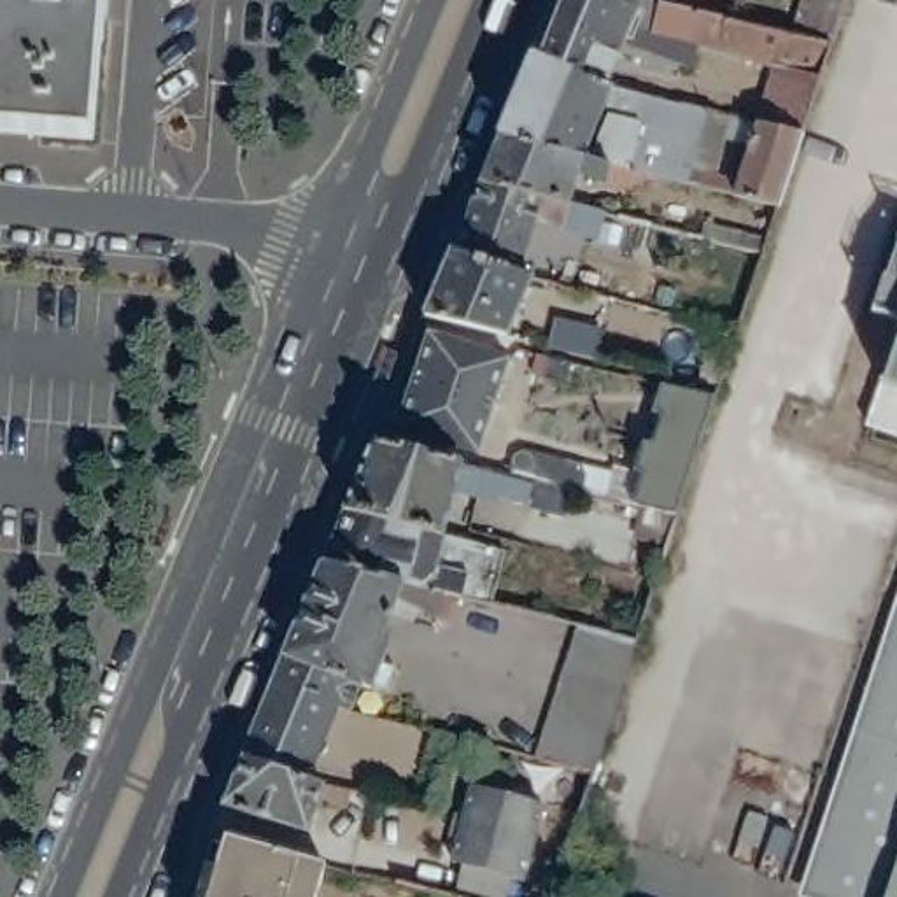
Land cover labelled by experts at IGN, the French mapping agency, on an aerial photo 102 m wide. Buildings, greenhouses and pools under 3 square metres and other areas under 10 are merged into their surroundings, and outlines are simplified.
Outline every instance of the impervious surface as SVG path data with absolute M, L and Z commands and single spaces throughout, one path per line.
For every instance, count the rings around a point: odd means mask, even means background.
M 102 680 L 105 687 L 98 694 L 102 701 L 88 708 L 95 722 L 88 729 L 84 753 L 70 757 L 60 743 L 60 732 L 53 729 L 42 743 L 42 753 L 60 774 L 49 785 L 35 785 L 35 799 L 49 813 L 49 827 L 25 830 L 14 820 L 0 820 L 0 844 L 39 844 L 39 865 L 28 872 L 28 879 L 14 876 L 11 869 L 0 869 L 0 897 L 207 897 L 207 879 L 224 830 L 284 844 L 294 851 L 319 848 L 333 858 L 350 865 L 385 865 L 389 879 L 424 876 L 459 886 L 463 872 L 452 872 L 449 844 L 459 837 L 463 827 L 449 816 L 441 820 L 420 809 L 389 806 L 389 827 L 378 823 L 375 837 L 361 837 L 364 795 L 357 788 L 368 778 L 392 781 L 396 774 L 410 774 L 417 746 L 420 732 L 413 725 L 382 722 L 378 711 L 385 694 L 413 694 L 413 704 L 424 715 L 452 718 L 445 732 L 477 732 L 487 743 L 501 746 L 519 750 L 529 760 L 536 757 L 540 739 L 547 732 L 578 624 L 498 603 L 494 592 L 473 599 L 466 589 L 445 589 L 441 613 L 431 627 L 417 627 L 417 620 L 396 620 L 389 613 L 389 648 L 375 680 L 364 683 L 361 701 L 336 711 L 319 760 L 305 771 L 319 785 L 308 830 L 228 809 L 221 806 L 221 795 L 235 771 L 235 764 L 228 760 L 228 746 L 235 732 L 249 729 L 273 659 L 284 648 L 287 624 L 301 617 L 301 596 L 312 592 L 315 561 L 308 554 L 319 543 L 319 529 L 326 522 L 340 522 L 347 480 L 357 470 L 364 445 L 371 438 L 399 438 L 417 417 L 403 406 L 403 392 L 424 340 L 424 294 L 449 245 L 477 252 L 480 231 L 466 217 L 466 203 L 477 193 L 484 158 L 491 151 L 519 67 L 526 53 L 540 42 L 554 0 L 361 0 L 361 11 L 368 14 L 364 39 L 371 42 L 371 60 L 361 60 L 357 70 L 357 95 L 364 95 L 364 112 L 357 119 L 336 119 L 326 109 L 322 84 L 329 77 L 343 77 L 343 67 L 329 56 L 312 56 L 312 81 L 301 91 L 301 105 L 270 98 L 266 109 L 270 119 L 308 119 L 315 140 L 305 151 L 291 154 L 280 144 L 280 137 L 273 137 L 263 151 L 235 151 L 228 144 L 228 123 L 235 116 L 235 91 L 242 74 L 284 74 L 287 60 L 280 56 L 280 49 L 273 49 L 273 39 L 284 39 L 291 32 L 291 0 L 109 0 L 105 14 L 112 18 L 112 63 L 102 60 L 95 137 L 81 140 L 0 133 L 0 259 L 11 270 L 18 270 L 21 263 L 84 263 L 84 273 L 98 273 L 102 266 L 123 273 L 154 270 L 158 277 L 175 284 L 196 277 L 214 280 L 214 287 L 228 291 L 238 277 L 245 277 L 252 312 L 182 312 L 172 301 L 88 294 L 49 284 L 0 284 L 0 708 L 25 708 L 18 687 L 7 687 L 11 676 L 25 666 L 21 631 L 28 624 L 18 606 L 21 589 L 35 578 L 56 582 L 53 624 L 60 631 L 74 624 L 70 603 L 74 592 L 84 585 L 84 575 L 67 564 L 70 540 L 81 526 L 70 515 L 70 498 L 81 491 L 77 466 L 84 456 L 102 452 L 109 459 L 123 459 L 123 434 L 130 420 L 130 403 L 123 399 L 123 368 L 130 364 L 130 336 L 137 333 L 137 326 L 144 319 L 165 319 L 172 329 L 200 333 L 224 333 L 231 326 L 242 326 L 252 333 L 252 347 L 259 350 L 259 357 L 245 361 L 214 357 L 203 368 L 214 375 L 214 392 L 196 406 L 182 399 L 168 399 L 161 406 L 165 420 L 186 413 L 207 417 L 200 452 L 193 456 L 196 470 L 207 477 L 207 487 L 193 494 L 189 487 L 175 491 L 161 477 L 154 477 L 154 498 L 165 501 L 165 515 L 154 529 L 154 547 L 161 547 L 158 564 L 165 568 L 154 575 L 158 606 L 133 627 L 119 627 L 105 613 L 88 617 L 91 634 L 102 641 L 102 655 L 91 659 L 88 676 Z
M 557 291 L 554 284 L 526 287 L 522 301 L 515 305 L 505 326 L 505 333 L 519 333 L 522 322 L 554 322 L 589 322 L 596 315 L 596 322 L 610 329 L 599 340 L 599 347 L 599 354 L 638 354 L 652 361 L 669 357 L 676 364 L 701 368 L 694 336 L 683 333 L 680 322 L 645 305 L 582 298 L 575 291 Z
M 722 154 L 725 182 L 739 175 L 746 144 L 753 137 L 753 123 L 739 119 L 736 140 L 729 140 Z
M 788 452 L 820 459 L 827 466 L 848 466 L 879 480 L 897 480 L 897 434 L 869 427 L 869 406 L 897 336 L 897 322 L 876 315 L 872 308 L 855 319 L 855 336 L 844 347 L 830 396 L 813 399 L 788 392 L 781 399 L 774 417 L 774 441 L 781 441 Z
M 529 764 L 522 774 L 543 799 L 564 802 L 564 795 L 557 792 L 557 764 Z
M 557 459 L 561 452 L 575 452 L 582 456 L 585 491 L 592 494 L 592 505 L 578 515 L 533 512 L 526 526 L 512 533 L 477 522 L 477 501 L 466 501 L 463 522 L 449 522 L 449 533 L 484 547 L 498 547 L 526 547 L 529 540 L 543 540 L 554 547 L 592 547 L 603 561 L 631 561 L 638 554 L 634 547 L 634 501 L 624 484 L 624 466 L 624 452 L 606 456 L 606 449 L 585 445 L 582 434 L 540 434 L 540 427 L 522 424 L 529 385 L 536 382 L 536 375 L 547 375 L 547 357 L 526 354 L 529 340 L 519 336 L 501 347 L 501 357 L 508 364 L 487 427 L 480 434 L 480 452 L 470 449 L 459 456 L 459 463 L 473 470 L 508 473 L 522 452 L 536 456 L 536 463 L 543 456 Z
M 603 193 L 610 193 L 606 175 L 575 175 L 575 203 L 599 210 Z
M 806 872 L 834 788 L 834 774 L 897 596 L 897 557 L 879 592 L 862 652 L 841 638 L 820 638 L 792 624 L 757 620 L 746 610 L 732 610 L 722 617 L 718 631 L 708 641 L 701 641 L 690 659 L 683 697 L 669 725 L 662 757 L 655 764 L 648 799 L 638 816 L 638 837 L 627 837 L 627 858 L 641 876 L 638 890 L 627 897 L 802 897 L 799 879 Z
M 564 273 L 575 277 L 578 249 L 585 238 L 536 214 L 526 259 L 533 259 L 536 266 L 550 266 L 554 256 L 564 256 Z

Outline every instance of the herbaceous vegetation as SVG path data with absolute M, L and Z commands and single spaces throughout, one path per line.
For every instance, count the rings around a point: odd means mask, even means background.
M 687 568 L 683 540 L 690 505 L 655 508 L 659 522 L 673 519 L 673 533 L 662 547 L 655 540 L 641 540 L 634 547 L 638 554 L 631 561 L 603 561 L 592 547 L 554 547 L 543 540 L 529 540 L 526 547 L 498 547 L 501 575 L 494 592 L 498 603 L 578 624 L 631 634 L 631 662 L 641 673 L 655 655 L 662 592 L 648 592 L 648 585 L 638 585 L 638 568 L 648 568 L 648 557 L 662 550 L 673 564 L 673 578 Z
M 792 28 L 802 0 L 669 0 L 781 32 Z
M 641 49 L 613 49 L 613 84 L 666 102 L 697 105 L 708 112 L 729 112 L 739 119 L 753 123 L 778 123 L 785 109 L 764 98 L 771 70 L 729 49 L 701 49 L 697 60 L 662 60 Z
M 526 802 L 536 813 L 533 830 L 543 841 L 536 841 L 533 865 L 519 883 L 519 897 L 568 897 L 568 862 L 561 858 L 561 851 L 589 781 L 589 774 L 575 774 L 564 795 L 564 802 L 543 799 L 522 774 L 529 764 L 529 760 L 519 750 L 501 746 L 494 774 L 484 778 L 487 788 L 526 795 Z
M 757 210 L 750 203 L 750 193 L 739 193 L 732 186 L 708 186 L 694 179 L 641 179 L 627 193 L 610 193 L 603 193 L 599 210 L 613 214 L 617 224 L 603 228 L 596 242 L 585 238 L 578 249 L 575 277 L 564 273 L 564 256 L 554 256 L 550 266 L 536 266 L 533 259 L 526 259 L 526 287 L 554 284 L 557 291 L 575 291 L 582 298 L 645 305 L 680 322 L 690 312 L 732 322 L 739 319 L 753 277 L 760 280 L 774 259 L 774 224 L 774 207 Z
M 463 893 L 459 886 L 424 876 L 389 879 L 385 865 L 350 865 L 333 858 L 326 872 L 326 890 L 319 897 L 477 897 Z
M 701 378 L 701 368 L 676 364 L 673 375 L 645 375 L 638 382 L 634 375 L 613 375 L 585 364 L 568 364 L 564 378 L 547 375 L 536 375 L 536 382 L 529 385 L 522 424 L 540 427 L 540 434 L 582 434 L 585 445 L 606 449 L 606 456 L 624 452 L 624 466 L 638 463 L 641 441 L 648 441 L 659 427 L 659 385 L 711 392 L 715 389 L 708 378 Z
M 21 263 L 18 270 L 11 270 L 0 259 L 0 284 L 49 284 L 88 294 L 172 301 L 175 284 L 158 277 L 154 270 L 123 273 L 102 266 L 98 273 L 84 273 L 84 263 Z

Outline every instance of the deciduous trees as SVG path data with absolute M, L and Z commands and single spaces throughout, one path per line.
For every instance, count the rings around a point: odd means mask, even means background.
M 28 872 L 39 865 L 39 844 L 0 844 L 0 869 L 11 869 L 14 876 L 28 879 Z
M 287 60 L 284 74 L 242 74 L 235 91 L 235 116 L 228 123 L 228 144 L 235 151 L 263 151 L 273 137 L 280 137 L 280 144 L 291 154 L 305 151 L 315 140 L 308 119 L 270 119 L 266 109 L 270 98 L 301 105 L 301 91 L 312 81 L 312 56 L 329 56 L 343 67 L 343 77 L 329 77 L 322 84 L 326 109 L 336 119 L 357 119 L 364 112 L 364 95 L 357 95 L 357 70 L 361 60 L 371 60 L 371 42 L 364 39 L 368 14 L 361 11 L 361 0 L 291 0 L 291 32 L 284 39 L 273 39 L 273 49 L 280 49 L 280 56 Z
M 638 585 L 648 585 L 648 592 L 662 592 L 673 578 L 673 564 L 662 550 L 648 557 L 648 568 L 638 568 Z
M 175 284 L 172 301 L 182 312 L 252 312 L 245 277 L 238 277 L 228 291 L 214 287 L 214 280 L 196 277 Z
M 627 858 L 627 837 L 617 827 L 617 806 L 603 795 L 596 781 L 589 781 L 561 851 L 561 858 L 568 862 L 568 897 L 627 897 L 638 890 L 641 876 Z
M 133 627 L 158 606 L 154 575 L 165 568 L 158 564 L 161 547 L 154 547 L 154 529 L 165 515 L 165 501 L 154 498 L 154 477 L 161 477 L 175 491 L 189 487 L 193 494 L 207 487 L 207 477 L 196 470 L 193 456 L 200 452 L 207 417 L 186 413 L 165 420 L 161 406 L 168 399 L 182 399 L 196 406 L 214 392 L 214 375 L 203 368 L 214 357 L 245 361 L 259 357 L 259 350 L 252 347 L 252 333 L 242 326 L 231 326 L 224 333 L 200 333 L 172 329 L 165 319 L 144 319 L 137 326 L 137 333 L 130 336 L 130 364 L 123 368 L 123 399 L 130 403 L 130 420 L 123 434 L 123 459 L 109 459 L 102 452 L 84 456 L 77 466 L 81 491 L 70 498 L 70 515 L 81 526 L 70 540 L 67 564 L 84 575 L 84 585 L 74 592 L 70 603 L 74 624 L 60 631 L 53 624 L 56 582 L 35 578 L 21 589 L 18 606 L 28 624 L 21 631 L 25 666 L 11 676 L 7 687 L 18 687 L 25 708 L 0 708 L 0 820 L 14 820 L 25 830 L 49 827 L 49 813 L 35 799 L 35 785 L 49 785 L 60 774 L 42 753 L 42 743 L 53 729 L 60 732 L 60 743 L 70 757 L 84 753 L 88 729 L 95 722 L 88 708 L 102 701 L 98 694 L 105 687 L 102 680 L 88 676 L 91 659 L 102 655 L 102 641 L 91 634 L 88 617 L 105 613 L 119 627 Z
M 420 809 L 441 820 L 449 816 L 456 785 L 484 778 L 494 774 L 501 746 L 487 743 L 477 732 L 445 732 L 434 729 L 427 746 L 417 746 L 410 774 L 396 774 L 392 781 L 368 778 L 357 788 L 364 795 L 361 837 L 375 837 L 378 823 L 389 827 L 389 806 Z

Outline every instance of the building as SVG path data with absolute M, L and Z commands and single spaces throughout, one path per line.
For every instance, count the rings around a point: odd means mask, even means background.
M 897 242 L 876 284 L 872 308 L 876 315 L 897 322 Z
M 897 336 L 869 406 L 869 427 L 897 434 Z
M 575 203 L 575 175 L 606 175 L 610 193 L 627 193 L 641 179 L 694 179 L 708 186 L 732 186 L 739 193 L 750 193 L 750 203 L 757 210 L 774 207 L 774 224 L 795 203 L 792 193 L 781 189 L 781 175 L 792 158 L 792 133 L 799 119 L 809 119 L 813 105 L 820 102 L 820 74 L 841 49 L 844 32 L 837 28 L 837 18 L 844 0 L 802 0 L 792 28 L 781 32 L 669 0 L 554 0 L 540 42 L 526 53 L 519 67 L 491 151 L 484 158 L 477 193 L 466 203 L 466 217 L 480 231 L 477 252 L 449 245 L 424 294 L 424 340 L 403 392 L 403 406 L 417 417 L 399 438 L 371 438 L 364 445 L 357 470 L 347 480 L 340 522 L 326 522 L 319 529 L 319 543 L 308 554 L 315 561 L 312 592 L 301 596 L 301 617 L 287 624 L 284 648 L 273 659 L 249 729 L 235 732 L 228 746 L 228 760 L 235 764 L 235 771 L 221 795 L 221 806 L 228 809 L 308 830 L 319 785 L 305 771 L 319 760 L 336 711 L 361 701 L 364 683 L 375 680 L 389 648 L 389 613 L 396 620 L 417 620 L 417 627 L 431 627 L 441 613 L 445 589 L 466 589 L 473 599 L 494 592 L 501 575 L 498 547 L 484 547 L 449 533 L 449 522 L 463 522 L 466 501 L 477 501 L 477 522 L 512 533 L 526 526 L 533 512 L 578 515 L 592 505 L 592 494 L 585 491 L 582 456 L 575 452 L 561 452 L 557 459 L 543 456 L 536 463 L 536 456 L 522 452 L 508 473 L 473 470 L 459 463 L 459 456 L 470 449 L 480 452 L 480 434 L 487 427 L 508 364 L 501 357 L 501 347 L 519 336 L 519 333 L 505 333 L 505 326 L 515 305 L 522 301 L 526 287 L 526 259 L 536 214 L 585 238 L 596 242 L 603 228 L 617 224 L 613 214 L 599 210 Z M 701 49 L 729 49 L 771 70 L 764 98 L 785 109 L 778 123 L 753 123 L 753 137 L 746 144 L 739 175 L 725 182 L 722 154 L 729 140 L 736 140 L 739 119 L 729 112 L 708 112 L 697 105 L 666 102 L 613 84 L 613 49 L 641 49 L 662 60 L 697 60 Z
M 459 837 L 449 844 L 452 872 L 463 872 L 459 886 L 463 893 L 477 897 L 519 897 L 519 883 L 533 865 L 536 841 L 543 841 L 533 830 L 536 813 L 526 802 L 526 795 L 487 788 L 484 778 L 456 785 L 449 816 L 463 827 Z
M 529 760 L 529 764 L 557 764 L 557 792 L 564 795 L 575 774 L 589 774 L 596 760 L 613 757 L 617 739 L 627 729 L 631 683 L 641 673 L 631 662 L 631 634 L 578 624 L 547 732 L 540 739 L 536 757 Z
M 802 897 L 897 897 L 897 596 L 834 774 L 834 788 L 806 872 L 799 879 Z
M 610 329 L 596 322 L 596 315 L 589 322 L 554 322 L 554 347 L 547 357 L 547 375 L 564 378 L 568 364 L 585 364 L 585 357 L 599 347 L 599 340 Z
M 95 137 L 102 60 L 112 63 L 112 18 L 105 14 L 109 0 L 0 0 L 0 133 L 81 140 Z
M 697 459 L 708 445 L 715 413 L 711 392 L 659 385 L 659 427 L 648 441 L 641 441 L 638 463 L 624 466 L 624 484 L 634 501 L 634 547 L 641 540 L 655 540 L 662 547 L 673 533 L 673 519 L 659 522 L 655 508 L 690 505 L 697 484 Z
M 326 890 L 326 872 L 333 858 L 319 848 L 294 851 L 284 844 L 224 830 L 207 879 L 207 897 L 319 897 Z

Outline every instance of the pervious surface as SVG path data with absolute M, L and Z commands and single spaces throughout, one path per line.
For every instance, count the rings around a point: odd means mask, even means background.
M 732 610 L 746 610 L 757 620 L 792 624 L 820 638 L 841 638 L 862 652 L 879 592 L 897 557 L 897 480 L 879 480 L 848 466 L 827 466 L 820 459 L 788 452 L 781 441 L 774 441 L 774 417 L 781 399 L 788 392 L 813 399 L 830 396 L 844 347 L 855 336 L 855 319 L 872 308 L 876 284 L 897 242 L 897 0 L 844 0 L 837 18 L 837 28 L 844 32 L 841 49 L 820 74 L 820 102 L 813 105 L 809 119 L 799 119 L 792 133 L 792 158 L 781 175 L 781 189 L 792 193 L 795 203 L 774 224 L 774 259 L 760 280 L 753 277 L 739 319 L 743 350 L 736 357 L 729 399 L 715 413 L 708 445 L 697 459 L 697 484 L 690 505 L 683 540 L 687 568 L 673 578 L 662 592 L 655 655 L 641 673 L 631 683 L 627 729 L 617 739 L 613 757 L 596 760 L 589 774 L 589 781 L 596 781 L 603 795 L 617 806 L 617 827 L 627 837 L 638 837 L 638 816 L 648 799 L 655 764 L 662 757 L 669 725 L 683 697 L 690 659 L 701 641 L 708 641 L 718 631 L 722 617 Z

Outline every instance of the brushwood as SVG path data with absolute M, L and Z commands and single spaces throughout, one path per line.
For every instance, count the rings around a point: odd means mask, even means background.
M 522 322 L 519 333 L 519 336 L 529 340 L 526 354 L 547 357 L 554 347 L 554 322 Z
M 711 392 L 715 413 L 729 399 L 736 357 L 743 350 L 739 319 L 732 322 L 690 312 L 680 322 L 683 333 L 694 336 L 701 368 L 701 378 L 708 378 L 715 389 Z
M 669 357 L 652 361 L 638 354 L 599 354 L 599 347 L 585 357 L 585 364 L 613 375 L 634 375 L 638 382 L 645 375 L 673 375 L 676 364 Z
M 424 715 L 413 704 L 413 694 L 385 694 L 378 711 L 382 722 L 413 725 L 420 732 L 417 746 L 427 746 L 434 729 L 445 732 L 452 718 Z

